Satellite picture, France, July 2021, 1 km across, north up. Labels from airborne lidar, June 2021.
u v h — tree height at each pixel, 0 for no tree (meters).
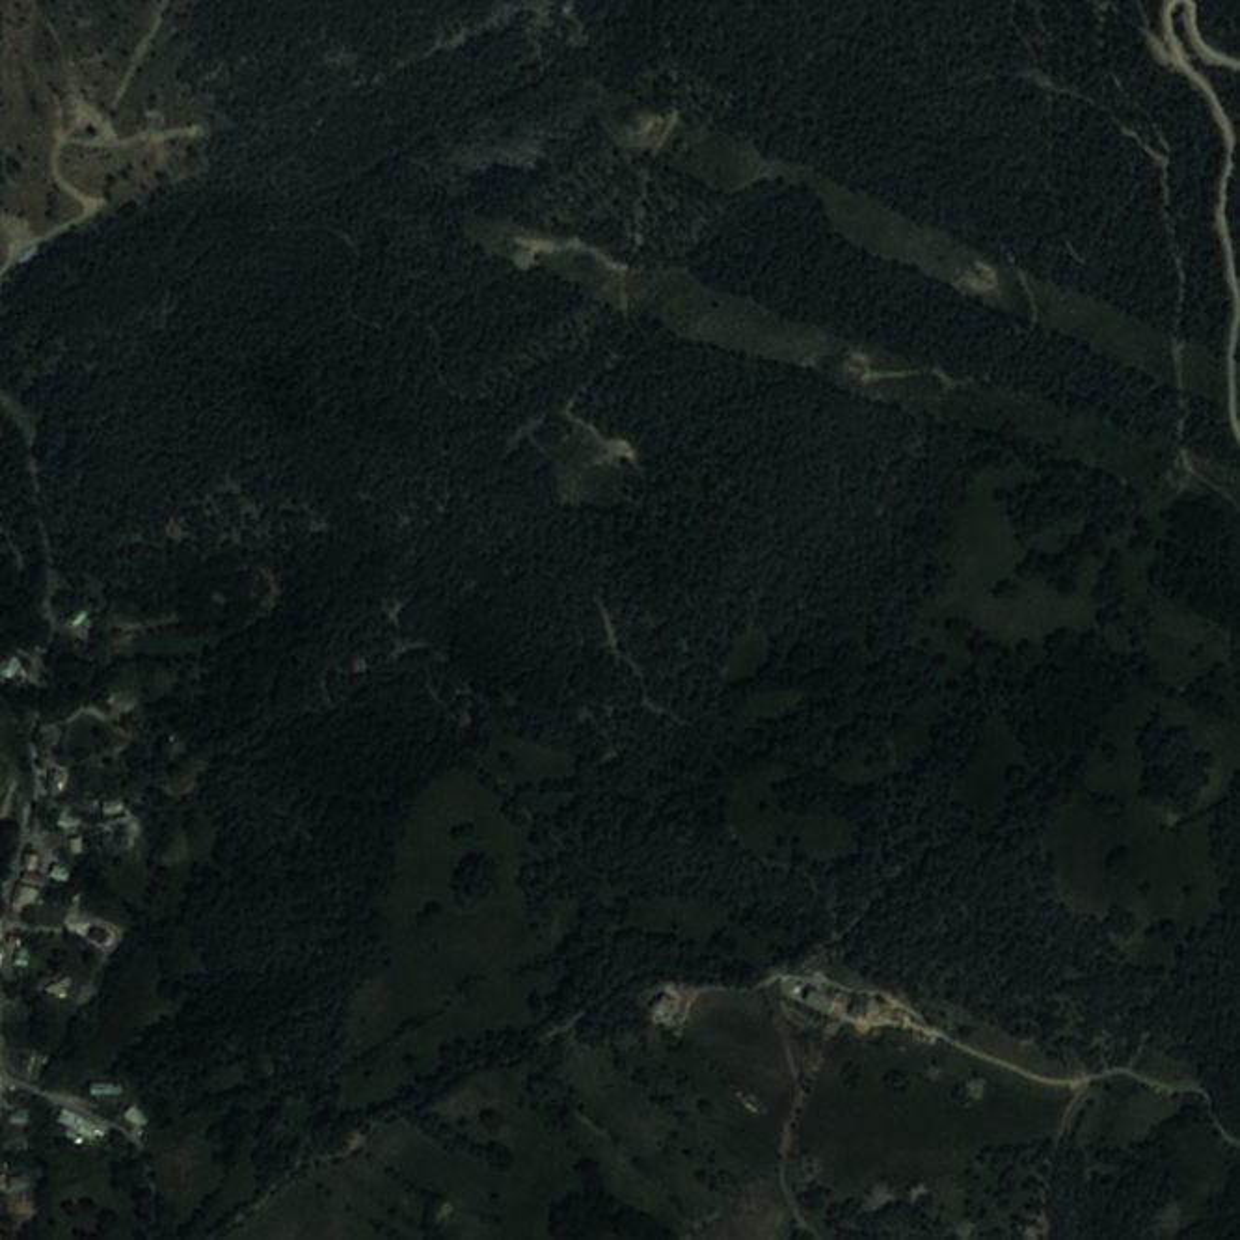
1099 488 12
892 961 9
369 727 15
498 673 12
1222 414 9
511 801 10
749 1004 0
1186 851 0
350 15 7
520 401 12
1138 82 11
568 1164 0
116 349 8
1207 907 0
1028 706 15
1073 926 12
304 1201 0
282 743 11
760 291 15
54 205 7
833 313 12
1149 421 15
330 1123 13
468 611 13
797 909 12
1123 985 12
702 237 6
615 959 13
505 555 12
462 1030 0
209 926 13
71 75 0
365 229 6
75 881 12
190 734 12
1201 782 12
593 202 10
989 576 0
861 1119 0
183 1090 7
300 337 14
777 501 8
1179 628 0
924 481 9
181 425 8
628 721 13
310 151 7
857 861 14
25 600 21
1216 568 16
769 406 12
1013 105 7
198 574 16
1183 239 12
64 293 10
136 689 0
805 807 9
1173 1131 9
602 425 12
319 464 14
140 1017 0
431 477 11
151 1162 10
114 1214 13
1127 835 0
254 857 11
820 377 20
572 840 12
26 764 10
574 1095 9
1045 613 0
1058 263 9
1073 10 13
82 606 6
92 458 11
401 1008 0
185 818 12
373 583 12
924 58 7
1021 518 9
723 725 13
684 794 16
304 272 9
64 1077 0
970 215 9
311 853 26
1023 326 13
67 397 9
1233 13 7
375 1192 0
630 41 9
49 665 14
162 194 12
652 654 8
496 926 0
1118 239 13
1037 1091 0
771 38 11
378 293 8
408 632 11
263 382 16
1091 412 22
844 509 9
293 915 14
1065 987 9
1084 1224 11
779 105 10
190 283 9
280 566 14
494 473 14
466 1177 0
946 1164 0
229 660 10
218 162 7
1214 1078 11
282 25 6
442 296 8
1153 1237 7
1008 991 10
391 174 8
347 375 17
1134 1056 8
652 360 10
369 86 6
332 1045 11
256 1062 12
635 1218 10
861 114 10
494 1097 0
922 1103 0
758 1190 0
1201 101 11
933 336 15
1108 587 13
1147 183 9
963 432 14
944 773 17
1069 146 14
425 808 0
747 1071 0
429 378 10
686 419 10
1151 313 12
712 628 8
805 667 10
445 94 7
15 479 16
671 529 15
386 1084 0
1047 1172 11
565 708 14
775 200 10
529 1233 0
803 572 13
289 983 17
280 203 7
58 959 6
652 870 12
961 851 13
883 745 12
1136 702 0
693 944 11
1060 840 0
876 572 11
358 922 17
